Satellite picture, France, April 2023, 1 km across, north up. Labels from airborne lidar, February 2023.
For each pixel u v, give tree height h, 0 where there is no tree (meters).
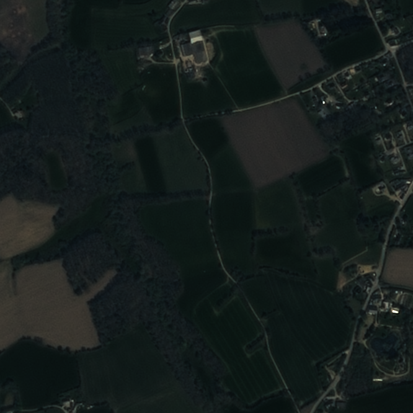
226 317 0
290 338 0
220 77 0
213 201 0
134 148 0
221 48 0
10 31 0
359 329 11
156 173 0
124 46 14
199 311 0
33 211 0
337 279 0
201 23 0
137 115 0
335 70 0
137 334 0
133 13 0
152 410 0
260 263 0
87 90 9
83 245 19
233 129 0
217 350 0
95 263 20
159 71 0
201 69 0
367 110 17
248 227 0
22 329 0
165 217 0
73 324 0
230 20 0
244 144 0
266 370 0
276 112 0
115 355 0
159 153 0
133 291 19
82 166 23
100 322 19
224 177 0
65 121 19
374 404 0
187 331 23
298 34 0
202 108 0
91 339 0
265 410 0
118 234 11
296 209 0
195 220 0
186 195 12
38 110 14
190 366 27
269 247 0
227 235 0
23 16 0
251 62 0
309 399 0
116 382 0
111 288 17
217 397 29
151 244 18
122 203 22
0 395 0
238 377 0
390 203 0
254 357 0
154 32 0
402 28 0
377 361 9
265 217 0
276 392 0
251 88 0
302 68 0
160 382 0
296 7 0
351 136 12
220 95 0
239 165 0
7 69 17
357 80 0
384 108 0
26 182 21
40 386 0
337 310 0
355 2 0
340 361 8
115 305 19
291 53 0
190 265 0
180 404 0
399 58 13
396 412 0
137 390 0
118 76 0
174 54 0
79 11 0
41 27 0
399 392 0
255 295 0
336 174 0
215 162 0
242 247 0
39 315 0
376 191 0
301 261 0
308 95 0
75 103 16
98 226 0
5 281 0
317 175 0
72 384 0
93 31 0
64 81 18
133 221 16
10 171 21
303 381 0
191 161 0
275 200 0
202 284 0
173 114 0
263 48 0
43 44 14
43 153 20
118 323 18
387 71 14
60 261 0
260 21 0
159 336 22
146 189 0
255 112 0
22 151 20
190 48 0
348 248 0
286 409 0
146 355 0
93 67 16
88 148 18
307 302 0
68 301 0
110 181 9
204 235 0
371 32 0
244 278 8
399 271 0
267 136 0
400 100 16
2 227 0
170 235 0
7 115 0
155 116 0
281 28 0
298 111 0
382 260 0
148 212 0
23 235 0
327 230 0
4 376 0
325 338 0
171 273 19
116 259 22
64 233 0
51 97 17
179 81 0
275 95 0
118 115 0
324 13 18
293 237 0
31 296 0
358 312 0
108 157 10
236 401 15
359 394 8
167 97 0
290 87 0
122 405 0
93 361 0
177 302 0
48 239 0
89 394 0
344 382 6
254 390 0
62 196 20
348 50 0
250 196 0
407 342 14
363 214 13
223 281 0
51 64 18
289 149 0
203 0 0
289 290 0
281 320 0
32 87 12
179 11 0
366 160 0
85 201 23
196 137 0
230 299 0
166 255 14
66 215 15
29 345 0
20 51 0
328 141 17
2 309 0
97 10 0
